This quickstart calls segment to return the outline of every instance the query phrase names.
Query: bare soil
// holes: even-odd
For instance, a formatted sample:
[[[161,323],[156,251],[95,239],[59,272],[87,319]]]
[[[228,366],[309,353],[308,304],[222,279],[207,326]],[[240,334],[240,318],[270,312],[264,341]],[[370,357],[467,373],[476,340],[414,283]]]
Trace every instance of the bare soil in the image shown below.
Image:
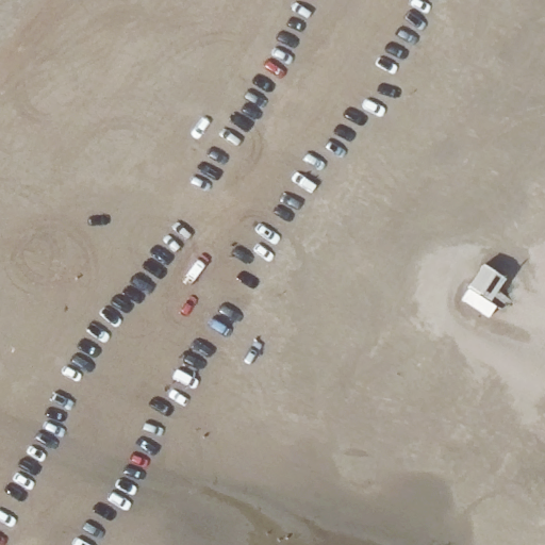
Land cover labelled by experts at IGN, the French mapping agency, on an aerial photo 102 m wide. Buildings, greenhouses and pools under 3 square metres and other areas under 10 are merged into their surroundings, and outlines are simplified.
[[[494,270],[502,273],[505,285],[500,292],[513,296],[511,307],[505,307],[500,300],[494,298],[492,315],[483,315],[475,307],[464,302],[466,290],[475,283],[483,266],[492,266]],[[545,0],[0,0],[0,545],[545,545]]]

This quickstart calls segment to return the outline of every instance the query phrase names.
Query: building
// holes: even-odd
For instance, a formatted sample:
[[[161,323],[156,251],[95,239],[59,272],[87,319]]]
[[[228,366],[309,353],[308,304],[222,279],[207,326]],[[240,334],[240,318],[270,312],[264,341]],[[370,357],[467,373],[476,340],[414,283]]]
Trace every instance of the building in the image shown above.
[[[500,300],[505,307],[511,307],[513,296],[500,292],[505,285],[502,273],[494,270],[492,266],[483,266],[475,283],[466,290],[464,302],[475,307],[483,315],[492,315],[494,298]]]

